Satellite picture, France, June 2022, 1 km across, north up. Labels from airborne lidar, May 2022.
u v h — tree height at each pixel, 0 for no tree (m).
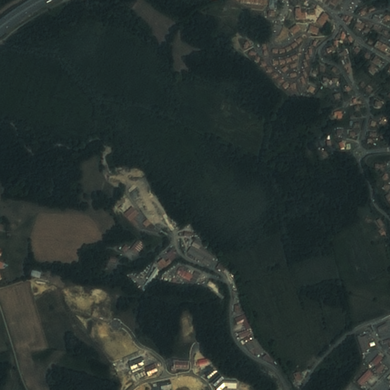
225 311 15
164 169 7
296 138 9
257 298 0
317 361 0
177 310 14
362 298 0
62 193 24
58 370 10
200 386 0
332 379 14
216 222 6
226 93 8
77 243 0
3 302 0
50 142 8
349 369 17
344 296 14
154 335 25
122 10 22
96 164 0
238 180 8
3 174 22
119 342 0
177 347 0
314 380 18
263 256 0
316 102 23
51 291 0
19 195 27
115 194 18
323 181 20
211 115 0
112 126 6
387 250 6
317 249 18
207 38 28
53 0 0
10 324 0
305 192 13
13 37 7
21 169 20
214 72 16
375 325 0
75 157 25
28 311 0
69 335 19
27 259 9
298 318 0
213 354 23
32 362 0
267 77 21
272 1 0
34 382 0
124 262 15
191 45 16
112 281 25
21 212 0
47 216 0
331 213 17
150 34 23
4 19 0
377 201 20
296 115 24
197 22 29
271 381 10
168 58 9
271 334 0
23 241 0
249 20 28
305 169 7
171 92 7
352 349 14
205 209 8
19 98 0
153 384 0
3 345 0
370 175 19
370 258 0
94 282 20
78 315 0
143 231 0
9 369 11
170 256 0
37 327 0
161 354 16
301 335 0
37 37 19
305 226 19
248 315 22
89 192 0
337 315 0
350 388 0
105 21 13
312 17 0
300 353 0
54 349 8
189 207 9
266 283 0
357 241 0
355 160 9
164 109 9
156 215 0
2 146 24
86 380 23
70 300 0
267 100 19
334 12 0
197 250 0
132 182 0
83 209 9
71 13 14
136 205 0
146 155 11
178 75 20
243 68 27
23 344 0
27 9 0
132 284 23
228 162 8
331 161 12
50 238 0
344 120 0
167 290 13
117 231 11
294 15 0
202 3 20
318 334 0
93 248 10
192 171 6
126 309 14
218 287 0
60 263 9
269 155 14
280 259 0
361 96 0
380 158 0
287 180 24
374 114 9
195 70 16
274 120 18
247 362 26
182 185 7
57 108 0
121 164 11
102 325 0
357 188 16
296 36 0
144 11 0
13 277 0
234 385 0
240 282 8
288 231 17
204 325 22
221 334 26
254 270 0
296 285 0
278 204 17
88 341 0
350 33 0
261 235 6
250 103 13
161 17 0
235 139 0
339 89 6
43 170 26
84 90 12
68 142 10
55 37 15
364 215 0
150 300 25
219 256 14
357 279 0
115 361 0
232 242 10
